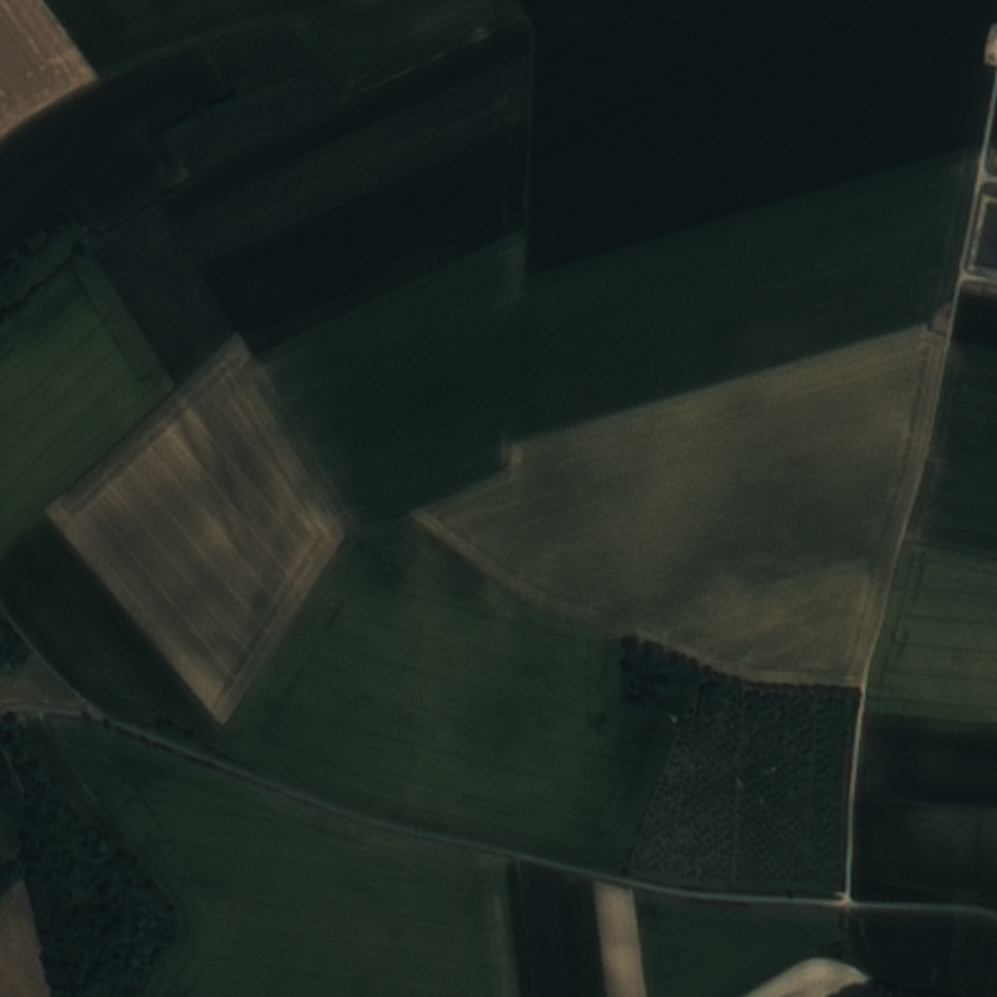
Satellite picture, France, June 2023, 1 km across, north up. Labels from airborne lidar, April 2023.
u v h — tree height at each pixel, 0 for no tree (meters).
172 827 0
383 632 0
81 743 0
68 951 10
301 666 0
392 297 0
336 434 0
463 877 0
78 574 0
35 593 0
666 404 0
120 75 0
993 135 0
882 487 0
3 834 0
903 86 0
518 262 0
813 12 0
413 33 0
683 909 0
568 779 0
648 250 0
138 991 12
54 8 0
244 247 0
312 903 0
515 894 0
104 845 14
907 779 0
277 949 0
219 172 0
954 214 0
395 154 0
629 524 0
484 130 0
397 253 0
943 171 0
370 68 0
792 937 0
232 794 0
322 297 0
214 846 0
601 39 0
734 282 0
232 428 0
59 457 0
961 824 0
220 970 0
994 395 0
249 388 0
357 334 0
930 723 0
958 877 0
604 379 0
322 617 0
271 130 0
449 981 0
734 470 0
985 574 0
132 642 0
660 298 0
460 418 0
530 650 0
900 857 0
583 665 0
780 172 0
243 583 0
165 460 0
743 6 0
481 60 0
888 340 0
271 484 0
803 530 0
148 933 18
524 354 0
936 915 0
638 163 0
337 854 0
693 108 0
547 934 0
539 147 0
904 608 0
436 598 0
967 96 0
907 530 0
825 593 0
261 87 0
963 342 0
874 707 0
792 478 0
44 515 0
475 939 0
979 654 0
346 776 0
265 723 0
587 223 0
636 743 0
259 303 0
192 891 0
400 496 0
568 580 0
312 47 0
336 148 0
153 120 0
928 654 0
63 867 9
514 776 0
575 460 0
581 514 0
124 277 0
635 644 15
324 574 0
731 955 0
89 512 0
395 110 0
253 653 0
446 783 0
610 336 0
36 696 0
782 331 0
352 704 0
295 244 0
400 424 0
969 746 0
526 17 0
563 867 0
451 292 0
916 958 0
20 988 0
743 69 0
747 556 0
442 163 0
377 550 0
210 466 0
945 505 0
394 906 0
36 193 0
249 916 0
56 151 0
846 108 0
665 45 0
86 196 0
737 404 0
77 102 0
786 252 0
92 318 0
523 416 0
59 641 0
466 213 0
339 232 0
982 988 0
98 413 0
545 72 0
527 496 0
